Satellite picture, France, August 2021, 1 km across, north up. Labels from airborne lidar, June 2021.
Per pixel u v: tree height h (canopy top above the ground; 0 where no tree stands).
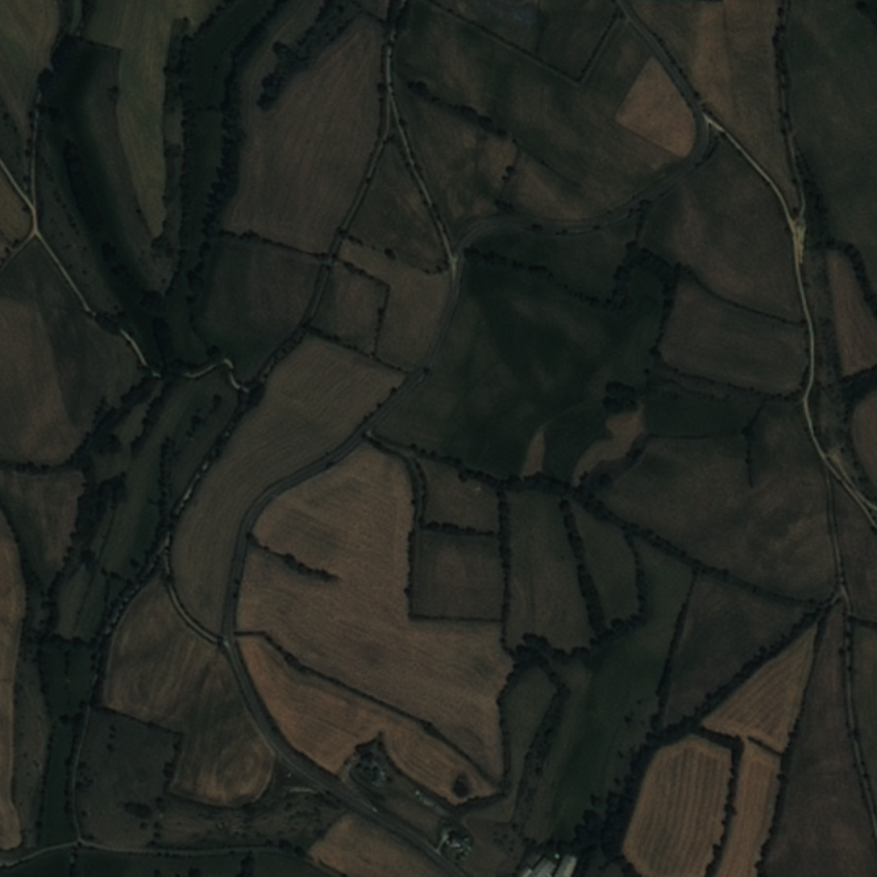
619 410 17
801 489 0
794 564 0
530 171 0
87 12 12
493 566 0
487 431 0
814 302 0
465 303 0
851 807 0
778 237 0
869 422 0
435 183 0
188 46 16
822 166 0
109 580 9
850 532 0
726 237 0
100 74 0
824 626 8
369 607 0
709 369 0
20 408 0
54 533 0
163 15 0
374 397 0
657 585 0
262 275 0
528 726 0
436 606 0
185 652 0
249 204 0
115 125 0
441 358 0
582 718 0
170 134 0
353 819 0
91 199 30
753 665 7
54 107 0
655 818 0
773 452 0
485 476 9
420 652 0
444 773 0
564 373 0
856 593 0
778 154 0
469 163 0
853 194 0
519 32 0
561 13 0
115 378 0
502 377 0
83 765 6
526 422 0
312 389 0
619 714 0
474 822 0
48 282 0
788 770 8
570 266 0
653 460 0
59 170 0
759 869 9
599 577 0
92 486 9
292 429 0
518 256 0
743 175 0
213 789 0
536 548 0
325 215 0
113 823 0
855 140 0
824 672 0
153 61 0
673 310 8
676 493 0
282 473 0
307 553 0
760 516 0
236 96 16
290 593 0
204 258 11
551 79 0
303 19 0
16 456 0
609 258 0
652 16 0
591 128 0
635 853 0
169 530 7
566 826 0
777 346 0
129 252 0
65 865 0
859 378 9
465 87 0
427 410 0
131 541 0
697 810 0
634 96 0
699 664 0
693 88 0
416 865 0
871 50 0
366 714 0
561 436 0
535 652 12
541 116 0
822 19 0
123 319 12
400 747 0
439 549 0
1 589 0
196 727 0
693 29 0
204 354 0
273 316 0
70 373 0
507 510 12
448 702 0
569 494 13
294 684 0
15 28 0
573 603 0
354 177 0
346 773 0
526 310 0
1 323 0
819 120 0
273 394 0
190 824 0
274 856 0
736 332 0
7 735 0
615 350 0
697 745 0
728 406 0
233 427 6
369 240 0
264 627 0
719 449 0
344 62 0
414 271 0
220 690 0
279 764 0
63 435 0
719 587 0
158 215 0
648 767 9
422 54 0
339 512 0
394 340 0
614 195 0
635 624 13
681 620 7
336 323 0
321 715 0
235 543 0
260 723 0
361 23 0
